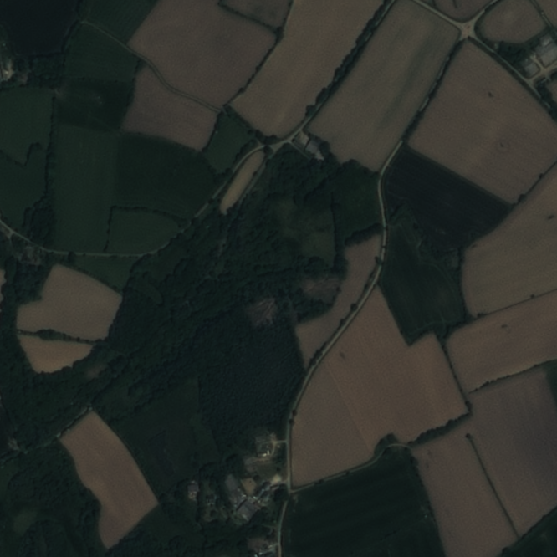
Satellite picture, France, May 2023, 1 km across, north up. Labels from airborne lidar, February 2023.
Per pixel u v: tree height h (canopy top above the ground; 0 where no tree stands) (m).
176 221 10
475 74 0
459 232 0
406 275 0
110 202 0
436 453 0
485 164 0
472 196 0
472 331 0
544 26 0
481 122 0
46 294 0
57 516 0
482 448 0
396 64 0
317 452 0
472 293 0
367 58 0
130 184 0
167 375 15
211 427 7
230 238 12
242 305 15
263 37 0
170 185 0
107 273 0
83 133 0
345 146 0
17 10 0
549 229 0
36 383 12
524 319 0
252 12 0
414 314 0
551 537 0
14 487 12
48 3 0
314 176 14
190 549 6
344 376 0
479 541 0
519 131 0
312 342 0
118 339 21
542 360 0
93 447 0
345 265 18
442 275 0
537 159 0
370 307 0
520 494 0
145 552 18
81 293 0
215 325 24
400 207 8
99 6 0
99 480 0
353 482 0
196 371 16
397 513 0
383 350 0
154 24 0
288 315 21
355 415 0
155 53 0
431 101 7
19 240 6
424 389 0
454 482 0
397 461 0
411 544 0
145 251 0
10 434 0
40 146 10
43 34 0
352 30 0
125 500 0
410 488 0
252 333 16
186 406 0
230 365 7
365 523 0
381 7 8
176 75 0
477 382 0
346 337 0
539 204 0
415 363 0
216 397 5
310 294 29
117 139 0
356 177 0
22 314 0
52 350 0
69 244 0
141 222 0
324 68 0
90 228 0
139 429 0
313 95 0
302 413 0
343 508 0
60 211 0
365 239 14
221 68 0
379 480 0
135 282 10
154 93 0
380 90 0
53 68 16
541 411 0
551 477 0
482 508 0
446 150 0
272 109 0
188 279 16
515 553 0
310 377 0
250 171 0
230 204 0
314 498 0
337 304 0
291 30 0
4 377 20
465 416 7
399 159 0
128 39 0
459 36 0
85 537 10
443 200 0
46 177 11
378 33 0
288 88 0
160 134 0
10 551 0
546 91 15
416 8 0
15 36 0
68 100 0
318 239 0
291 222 0
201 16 0
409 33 0
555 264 0
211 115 0
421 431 0
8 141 0
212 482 9
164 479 0
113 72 0
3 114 0
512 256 0
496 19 0
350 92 0
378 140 0
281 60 0
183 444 0
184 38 0
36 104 0
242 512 0
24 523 0
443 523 0
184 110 0
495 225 0
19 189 0
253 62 0
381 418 0
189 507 0
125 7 0
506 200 0
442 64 0
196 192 0
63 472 6
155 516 0
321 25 0
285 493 14
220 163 0
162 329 22
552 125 0
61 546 14
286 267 7
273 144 12
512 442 0
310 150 0
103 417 10
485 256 0
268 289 19
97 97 0
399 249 0
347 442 0
